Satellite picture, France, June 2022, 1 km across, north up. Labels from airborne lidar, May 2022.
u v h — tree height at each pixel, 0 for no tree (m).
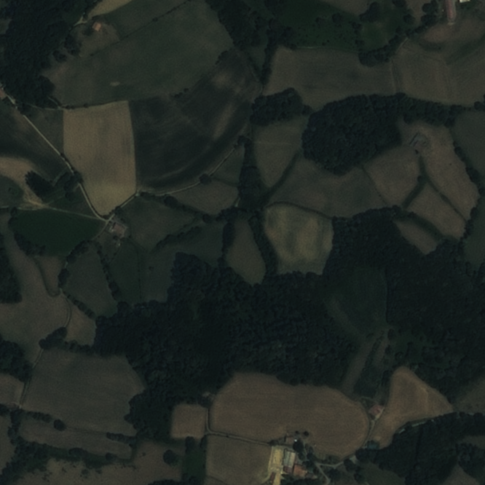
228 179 0
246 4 11
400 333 12
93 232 0
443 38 0
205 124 0
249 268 0
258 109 25
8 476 14
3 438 0
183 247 0
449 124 17
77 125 0
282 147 0
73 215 0
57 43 14
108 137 0
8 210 9
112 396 0
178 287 23
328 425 0
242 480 0
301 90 0
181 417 0
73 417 0
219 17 12
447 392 19
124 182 0
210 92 0
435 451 30
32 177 12
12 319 0
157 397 27
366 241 17
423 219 0
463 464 20
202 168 0
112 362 0
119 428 0
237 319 25
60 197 0
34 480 0
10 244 0
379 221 17
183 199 0
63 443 0
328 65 0
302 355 22
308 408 0
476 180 19
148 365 14
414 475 22
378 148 29
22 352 18
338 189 0
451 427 24
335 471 17
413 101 10
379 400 0
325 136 31
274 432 0
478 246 0
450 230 0
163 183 0
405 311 20
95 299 0
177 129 0
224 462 0
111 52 0
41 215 0
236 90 0
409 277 24
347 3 0
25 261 0
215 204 0
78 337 0
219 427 0
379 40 0
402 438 16
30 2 18
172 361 5
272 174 0
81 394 0
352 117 33
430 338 9
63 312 0
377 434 0
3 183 0
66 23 11
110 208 0
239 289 26
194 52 0
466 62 0
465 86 0
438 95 0
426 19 14
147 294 0
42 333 0
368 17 14
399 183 0
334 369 23
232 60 0
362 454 18
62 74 0
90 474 0
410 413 0
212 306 16
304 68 0
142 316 31
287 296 8
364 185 0
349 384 0
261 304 32
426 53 0
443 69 0
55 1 18
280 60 0
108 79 0
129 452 0
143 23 0
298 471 0
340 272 24
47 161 0
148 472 0
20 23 20
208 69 0
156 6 0
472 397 0
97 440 0
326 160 19
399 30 14
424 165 0
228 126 0
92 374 0
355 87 0
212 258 0
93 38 0
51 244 0
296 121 0
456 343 21
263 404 0
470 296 27
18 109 8
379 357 0
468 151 0
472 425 14
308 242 0
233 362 19
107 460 11
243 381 0
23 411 12
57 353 0
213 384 6
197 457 0
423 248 0
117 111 0
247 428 0
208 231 0
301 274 15
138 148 0
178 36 0
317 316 7
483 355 22
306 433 8
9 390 0
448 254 20
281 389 0
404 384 0
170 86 0
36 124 0
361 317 0
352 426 0
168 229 0
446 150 0
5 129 0
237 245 0
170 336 23
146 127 0
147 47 0
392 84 0
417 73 0
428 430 20
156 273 0
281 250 0
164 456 11
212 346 8
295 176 0
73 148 0
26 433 0
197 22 0
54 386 0
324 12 0
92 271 0
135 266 0
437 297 25
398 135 17
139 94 0
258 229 10
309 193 0
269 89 0
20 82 11
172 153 0
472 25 0
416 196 0
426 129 0
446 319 26
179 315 26
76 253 14
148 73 0
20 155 0
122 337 29
